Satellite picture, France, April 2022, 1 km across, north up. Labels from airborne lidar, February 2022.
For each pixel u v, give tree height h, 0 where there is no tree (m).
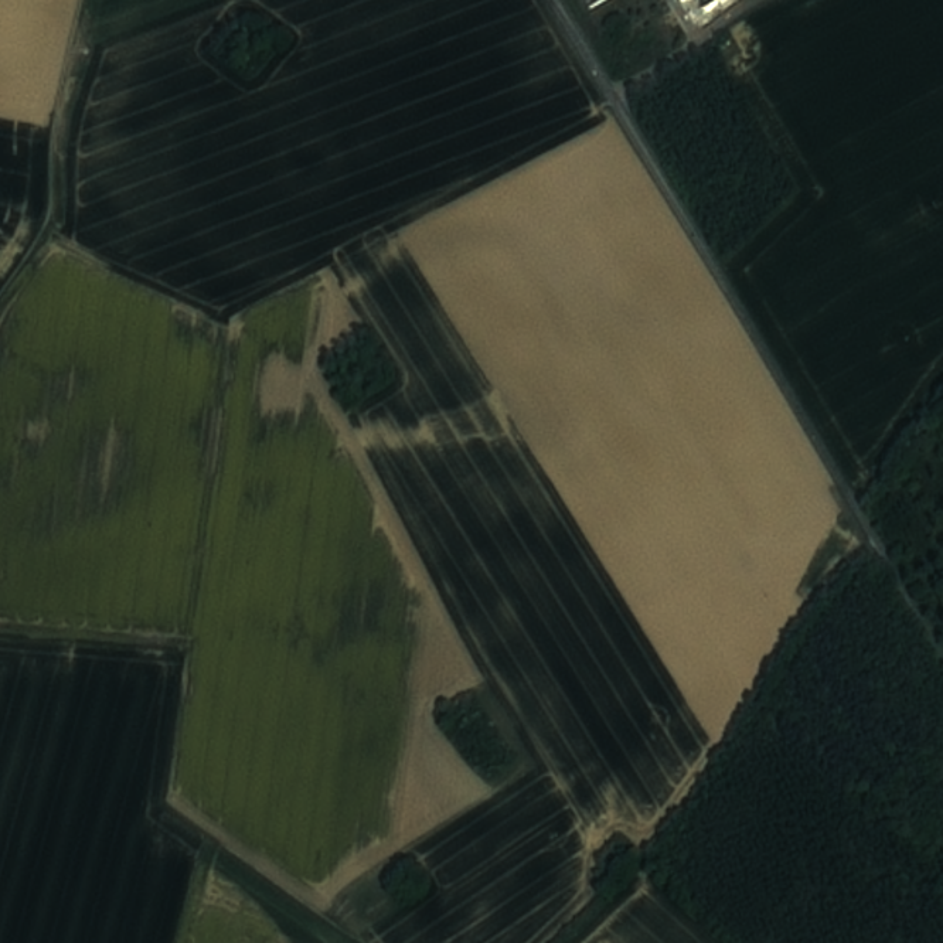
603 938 0
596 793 0
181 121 0
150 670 0
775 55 0
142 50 0
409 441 0
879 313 0
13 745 0
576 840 0
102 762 0
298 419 0
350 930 0
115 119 0
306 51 0
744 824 22
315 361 0
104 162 0
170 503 0
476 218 0
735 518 0
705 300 0
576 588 0
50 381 0
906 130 0
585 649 0
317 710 0
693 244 0
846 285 0
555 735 0
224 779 0
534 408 0
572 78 0
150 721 0
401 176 0
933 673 24
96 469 0
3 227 0
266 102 0
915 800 24
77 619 0
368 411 0
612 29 8
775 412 0
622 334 0
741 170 15
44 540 0
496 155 0
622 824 0
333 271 0
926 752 24
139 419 0
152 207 0
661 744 0
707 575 0
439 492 0
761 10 0
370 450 0
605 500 0
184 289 0
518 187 0
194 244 0
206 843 0
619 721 0
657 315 0
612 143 0
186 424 0
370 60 0
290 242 0
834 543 0
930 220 0
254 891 0
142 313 0
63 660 0
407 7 0
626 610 0
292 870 0
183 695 0
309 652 0
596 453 0
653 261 0
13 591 0
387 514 0
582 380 0
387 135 0
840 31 0
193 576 0
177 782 0
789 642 18
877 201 0
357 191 0
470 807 0
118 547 0
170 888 0
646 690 0
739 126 19
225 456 0
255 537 0
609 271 0
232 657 0
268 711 0
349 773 0
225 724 0
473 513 0
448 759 0
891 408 0
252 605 0
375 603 0
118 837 0
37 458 0
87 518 0
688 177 16
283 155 0
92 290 0
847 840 23
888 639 22
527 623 0
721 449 0
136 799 0
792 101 0
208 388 0
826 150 0
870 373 0
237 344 0
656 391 0
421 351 0
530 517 0
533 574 0
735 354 0
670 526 0
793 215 0
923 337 0
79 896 0
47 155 0
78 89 0
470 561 0
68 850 0
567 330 0
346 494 0
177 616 0
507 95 0
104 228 0
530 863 0
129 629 0
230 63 19
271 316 0
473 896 0
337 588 0
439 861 0
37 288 0
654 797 0
